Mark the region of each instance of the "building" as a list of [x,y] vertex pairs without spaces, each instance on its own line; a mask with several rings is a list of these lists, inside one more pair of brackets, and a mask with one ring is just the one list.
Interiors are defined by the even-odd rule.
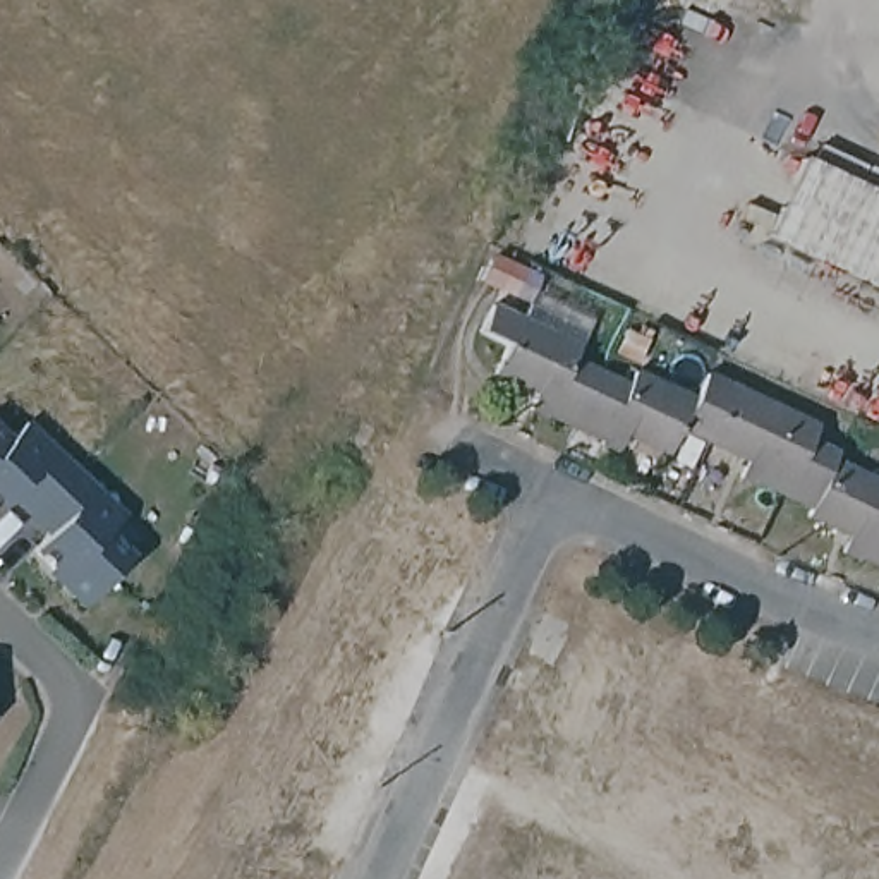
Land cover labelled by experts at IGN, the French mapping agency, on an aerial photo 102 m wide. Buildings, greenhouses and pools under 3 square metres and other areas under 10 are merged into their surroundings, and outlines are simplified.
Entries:
[[783,216],[779,240],[766,240],[766,251],[776,251],[800,264],[827,258],[855,271],[858,278],[879,285],[879,189],[824,161],[800,161],[800,168],[786,179],[786,192],[776,199]]
[[786,494],[807,505],[807,515],[814,515],[827,529],[841,529],[852,539],[852,556],[879,563],[879,474],[869,474],[858,464],[841,460],[838,446],[821,446],[814,453],[821,440],[817,419],[783,402],[773,402],[738,381],[704,374],[700,388],[690,391],[652,378],[642,361],[628,361],[632,378],[601,371],[594,364],[577,371],[587,336],[594,330],[594,316],[543,292],[543,278],[532,268],[501,258],[498,264],[484,264],[477,278],[505,295],[498,312],[488,309],[481,316],[481,336],[501,347],[498,374],[522,378],[529,385],[529,395],[539,398],[536,415],[563,419],[567,433],[591,433],[608,450],[632,450],[635,460],[649,457],[652,464],[663,453],[676,457],[687,440],[700,440],[700,446],[714,446],[711,460],[728,464],[728,470],[735,470],[742,481],[759,484],[762,491]]
[[24,536],[34,546],[31,553],[45,577],[58,573],[58,580],[72,587],[79,601],[96,604],[113,584],[120,584],[120,573],[130,573],[151,549],[158,549],[158,532],[141,512],[141,498],[110,467],[86,453],[52,415],[24,412],[17,402],[0,405],[0,508],[21,522],[17,536]]

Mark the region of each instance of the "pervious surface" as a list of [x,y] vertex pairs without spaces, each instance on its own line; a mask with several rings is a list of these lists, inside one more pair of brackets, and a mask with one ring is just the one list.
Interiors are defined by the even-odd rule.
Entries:
[[491,779],[488,773],[474,769],[464,776],[419,879],[446,879],[470,827],[481,821],[481,803]]
[[488,309],[498,312],[505,295],[477,278],[464,306],[460,333],[450,354],[450,412],[429,433],[429,440],[443,450],[457,446],[457,436],[467,429],[470,398],[488,385],[488,378],[498,374],[501,347],[481,336],[481,316]]
[[724,10],[731,14],[731,21],[773,17],[776,27],[797,27],[803,24],[810,0],[639,0],[635,10],[618,17],[618,24],[632,34],[632,69],[639,76],[649,72],[649,55],[663,34],[670,34],[673,41],[683,38],[683,3]]

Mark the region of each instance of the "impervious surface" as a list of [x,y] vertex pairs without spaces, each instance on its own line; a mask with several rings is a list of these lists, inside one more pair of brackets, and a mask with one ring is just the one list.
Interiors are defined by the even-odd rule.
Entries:
[[879,189],[879,0],[810,0],[803,24],[797,27],[776,27],[773,17],[731,21],[731,14],[724,10],[683,3],[683,38],[673,41],[670,34],[663,34],[649,55],[649,72],[639,76],[618,79],[604,93],[604,100],[594,103],[591,120],[563,155],[567,175],[543,203],[546,216],[522,220],[508,233],[512,244],[501,251],[501,258],[532,268],[543,278],[570,278],[608,295],[625,309],[642,306],[656,312],[663,319],[663,330],[676,340],[718,350],[721,364],[742,364],[831,409],[858,412],[879,422],[879,285],[858,278],[855,271],[827,258],[800,264],[776,251],[766,251],[766,240],[779,240],[783,216],[776,199],[786,192],[786,179],[800,168],[800,161],[824,161]]
[[491,745],[491,731],[501,721],[505,704],[512,700],[512,673],[525,666],[529,652],[553,663],[567,639],[567,621],[556,615],[543,615],[543,608],[536,604],[539,591],[549,591],[553,573],[573,563],[577,556],[597,556],[601,563],[618,570],[628,584],[646,584],[659,597],[676,597],[683,608],[697,615],[724,618],[735,628],[735,639],[738,639],[759,639],[779,652],[786,652],[793,666],[803,666],[810,673],[807,687],[814,687],[827,700],[879,711],[879,601],[855,597],[855,604],[848,604],[848,587],[841,580],[790,570],[783,560],[766,556],[755,543],[731,536],[721,525],[711,525],[714,508],[697,505],[694,491],[704,470],[728,470],[728,464],[711,460],[714,446],[700,446],[700,440],[687,440],[676,457],[676,464],[663,477],[663,488],[649,498],[632,484],[621,484],[625,467],[608,450],[591,433],[567,433],[570,446],[584,443],[591,457],[556,457],[546,443],[512,426],[494,426],[491,436],[484,429],[467,429],[457,436],[457,446],[443,450],[426,453],[419,460],[419,470],[450,467],[464,481],[477,484],[491,488],[494,498],[508,505],[491,518],[494,539],[488,543],[481,563],[470,573],[460,573],[460,587],[433,615],[433,632],[426,639],[415,639],[405,659],[395,659],[398,673],[395,680],[374,690],[371,724],[361,735],[361,749],[340,759],[343,786],[336,786],[336,797],[326,810],[326,827],[323,834],[316,834],[316,848],[330,855],[330,879],[419,879],[464,776],[474,769],[474,742],[481,738]]
[[10,879],[100,707],[103,690],[89,676],[79,673],[48,639],[41,639],[34,625],[3,597],[7,570],[14,570],[17,560],[31,553],[34,546],[24,536],[17,536],[21,522],[0,508],[0,642],[10,646],[14,673],[31,680],[38,683],[45,721],[34,742],[34,755],[17,769],[14,797],[0,797],[0,879]]

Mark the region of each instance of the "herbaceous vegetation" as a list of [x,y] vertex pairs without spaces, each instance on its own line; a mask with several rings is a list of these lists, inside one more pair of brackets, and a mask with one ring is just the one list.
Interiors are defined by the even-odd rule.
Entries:
[[501,721],[491,731],[491,745],[481,738],[474,742],[474,769],[488,773],[491,779],[481,803],[481,821],[470,827],[446,879],[879,879],[879,711],[827,700],[814,687],[807,687],[810,673],[803,666],[793,666],[786,652],[779,652],[766,670],[752,670],[752,663],[745,659],[745,646],[738,639],[735,639],[735,646],[724,656],[714,656],[697,646],[694,632],[680,632],[673,621],[659,615],[639,621],[628,615],[625,604],[594,597],[587,591],[587,580],[601,570],[601,563],[597,556],[577,556],[573,563],[553,573],[549,591],[539,591],[536,604],[543,608],[543,615],[556,615],[567,621],[567,639],[553,663],[529,652],[525,666],[512,673],[512,700],[505,704]]
[[642,361],[652,378],[690,391],[700,388],[704,374],[738,381],[773,402],[783,402],[817,419],[821,440],[814,453],[821,446],[838,446],[841,460],[858,464],[869,474],[879,474],[879,460],[865,457],[852,443],[852,436],[845,436],[855,426],[858,412],[831,409],[742,364],[721,364],[718,350],[676,340],[663,330],[663,319],[656,312],[642,306],[625,309],[608,295],[570,278],[543,278],[543,292],[594,316],[594,330],[587,336],[577,371],[594,364],[601,371],[632,378],[628,361]]
[[494,426],[512,426],[546,443],[556,457],[591,457],[584,443],[570,446],[567,433],[563,419],[536,415],[539,398],[529,395],[518,402],[518,415],[508,419],[508,412],[491,409],[488,385],[470,398],[467,429],[484,429],[491,436]]
[[31,680],[14,673],[10,646],[0,642],[0,773],[27,724]]
[[[470,515],[470,494],[477,491],[477,484],[464,481],[453,488],[453,494],[422,498],[419,470],[419,460],[426,453],[443,450],[429,440],[429,433],[450,412],[450,354],[460,333],[464,306],[477,278],[484,264],[498,264],[501,258],[501,251],[512,244],[508,233],[494,230],[494,220],[505,209],[505,196],[484,192],[481,168],[488,155],[498,148],[498,127],[505,124],[515,103],[518,52],[543,24],[553,0],[0,0],[0,405],[17,402],[24,412],[52,415],[86,453],[110,467],[141,498],[141,512],[158,532],[158,549],[151,549],[130,573],[120,573],[120,584],[113,584],[96,604],[79,601],[72,587],[58,580],[58,573],[45,577],[31,553],[17,560],[14,570],[7,570],[3,597],[34,625],[45,618],[14,594],[17,580],[45,587],[45,597],[55,604],[48,618],[72,632],[79,646],[86,646],[100,659],[89,676],[103,690],[100,707],[10,879],[330,879],[330,855],[316,848],[316,834],[323,834],[326,827],[326,810],[336,797],[336,786],[343,786],[340,759],[361,749],[361,735],[371,724],[374,690],[395,680],[398,673],[395,659],[405,659],[415,639],[426,639],[433,632],[433,615],[460,587],[460,573],[470,573],[481,563],[488,543],[494,539],[491,518],[477,522]],[[302,484],[312,477],[312,470],[336,450],[333,443],[361,446],[361,457],[371,467],[371,484],[357,505],[350,505],[330,525],[323,525],[316,522],[312,508],[295,508],[295,498],[302,494]],[[172,735],[137,731],[141,718],[134,711],[110,707],[113,687],[120,680],[113,659],[120,646],[141,628],[141,621],[151,618],[148,608],[155,604],[155,594],[161,591],[165,577],[172,573],[185,543],[192,539],[196,515],[209,501],[220,474],[237,474],[240,488],[254,481],[264,491],[264,498],[275,508],[292,570],[302,584],[299,591],[278,580],[268,584],[268,597],[285,615],[275,625],[275,632],[258,628],[254,642],[237,646],[237,656],[251,656],[261,670],[244,680],[244,694],[230,721],[182,714]]]
[[676,464],[676,457],[663,453],[652,464],[649,457],[635,460],[632,450],[608,450],[625,467],[621,484],[632,484],[649,498],[663,488],[663,477]]
[[714,508],[711,525],[721,525],[731,536],[755,543],[766,556],[783,560],[790,570],[841,580],[848,587],[848,604],[855,604],[855,597],[879,601],[879,563],[852,556],[852,539],[841,529],[827,529],[814,515],[807,515],[807,505],[786,494],[762,491],[759,484],[742,481],[735,470],[728,470],[704,470],[694,491],[697,505]]

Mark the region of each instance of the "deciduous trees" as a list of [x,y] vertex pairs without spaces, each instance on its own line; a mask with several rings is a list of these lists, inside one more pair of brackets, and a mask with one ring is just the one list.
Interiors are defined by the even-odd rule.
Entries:
[[302,494],[295,498],[295,508],[312,508],[316,522],[323,525],[330,525],[350,505],[357,505],[371,484],[371,467],[361,457],[361,446],[333,443],[336,450],[312,470],[312,477],[302,484]]
[[659,615],[673,621],[680,632],[694,632],[697,646],[714,656],[724,656],[735,646],[735,639],[735,628],[724,618],[697,615],[683,608],[676,597],[659,597],[646,584],[628,584],[618,570],[601,563],[601,570],[587,580],[587,591],[594,597],[625,604],[628,615],[639,621]]
[[879,422],[858,412],[855,426],[845,436],[852,436],[852,443],[865,457],[879,460]]
[[491,488],[477,484],[477,491],[470,494],[470,515],[477,522],[491,518],[508,505],[494,498]]
[[488,385],[491,409],[508,412],[508,419],[518,415],[518,402],[529,395],[529,385],[522,378],[498,374],[488,378]]
[[766,670],[779,652],[759,639],[738,639],[745,646],[745,659],[752,663],[752,670]]
[[237,656],[237,646],[254,642],[258,628],[275,632],[275,625],[285,615],[268,597],[268,584],[278,580],[299,591],[302,584],[292,570],[275,508],[264,498],[264,491],[254,481],[240,488],[237,474],[220,474],[209,501],[196,515],[192,539],[185,543],[172,573],[165,577],[161,591],[155,594],[155,604],[148,608],[151,618],[141,621],[141,628],[120,646],[113,659],[120,680],[113,687],[110,707],[134,711],[141,718],[137,731],[172,735],[182,714],[230,721],[244,694],[244,680],[261,670],[251,656]]
[[419,470],[422,498],[453,494],[453,488],[464,481],[450,467]]
[[632,69],[632,34],[618,24],[618,17],[635,10],[639,0],[553,0],[543,24],[518,52],[515,103],[505,124],[498,127],[498,148],[488,155],[481,168],[484,192],[505,196],[505,209],[494,220],[494,230],[508,233],[522,220],[546,216],[543,203],[567,175],[563,155],[591,120],[594,103],[604,100],[604,93],[618,79],[639,76]]
[[48,618],[55,604],[45,597],[45,587],[17,580],[14,594],[45,618]]

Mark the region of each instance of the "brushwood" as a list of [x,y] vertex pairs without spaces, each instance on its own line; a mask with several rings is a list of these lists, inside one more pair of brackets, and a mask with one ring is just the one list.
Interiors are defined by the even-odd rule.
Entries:
[[0,773],[0,797],[14,797],[17,769],[34,755],[34,742],[45,721],[38,683],[31,680],[27,724]]
[[79,673],[89,676],[100,659],[86,646],[79,646],[72,632],[48,618],[45,618],[34,625],[41,639],[48,639]]

